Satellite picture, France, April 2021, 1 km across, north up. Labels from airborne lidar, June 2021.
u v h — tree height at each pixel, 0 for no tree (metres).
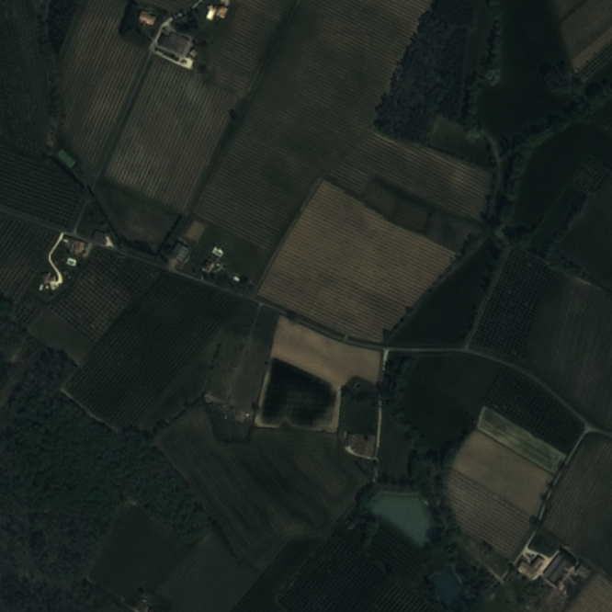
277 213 0
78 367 12
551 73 21
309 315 0
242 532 0
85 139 0
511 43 0
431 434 0
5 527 18
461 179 0
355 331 0
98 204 23
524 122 0
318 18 0
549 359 0
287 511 0
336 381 0
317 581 6
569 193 0
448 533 10
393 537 6
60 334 0
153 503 15
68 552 17
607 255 0
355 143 0
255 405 7
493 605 0
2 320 24
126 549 0
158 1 0
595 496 0
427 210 0
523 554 0
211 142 0
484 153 0
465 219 0
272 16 0
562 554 13
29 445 20
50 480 23
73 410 18
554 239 11
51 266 0
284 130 0
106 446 18
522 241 23
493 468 0
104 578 0
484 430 0
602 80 0
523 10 0
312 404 0
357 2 0
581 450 0
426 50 12
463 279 0
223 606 0
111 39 0
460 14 20
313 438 0
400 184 0
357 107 0
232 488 0
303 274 0
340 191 0
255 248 0
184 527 19
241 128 0
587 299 0
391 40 0
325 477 0
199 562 0
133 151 0
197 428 0
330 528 0
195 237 0
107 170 0
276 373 0
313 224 0
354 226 0
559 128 23
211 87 0
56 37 14
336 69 0
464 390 0
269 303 0
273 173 0
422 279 0
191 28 9
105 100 0
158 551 0
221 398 0
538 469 0
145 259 0
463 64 20
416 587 0
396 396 15
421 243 0
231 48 0
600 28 0
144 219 0
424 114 16
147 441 20
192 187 0
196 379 0
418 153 0
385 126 16
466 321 0
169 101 0
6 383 23
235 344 0
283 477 0
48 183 7
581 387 0
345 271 0
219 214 0
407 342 0
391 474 0
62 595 17
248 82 0
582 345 0
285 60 0
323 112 0
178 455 0
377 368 0
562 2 0
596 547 0
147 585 0
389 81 0
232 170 0
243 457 0
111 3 0
